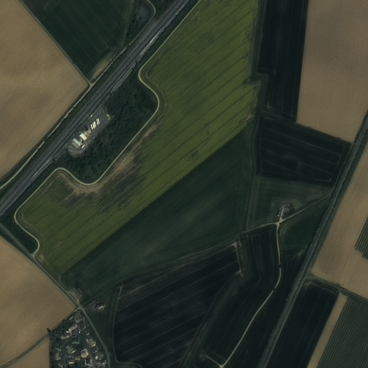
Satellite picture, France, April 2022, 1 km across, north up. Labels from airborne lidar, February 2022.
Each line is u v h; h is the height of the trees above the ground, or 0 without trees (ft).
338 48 0
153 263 0
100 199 0
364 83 0
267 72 0
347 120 0
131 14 0
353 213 0
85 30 0
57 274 0
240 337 0
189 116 0
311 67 0
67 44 0
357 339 0
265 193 0
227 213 0
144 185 0
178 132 0
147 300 0
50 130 0
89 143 0
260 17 0
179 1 0
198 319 0
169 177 0
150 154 0
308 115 0
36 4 0
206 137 0
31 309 0
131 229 0
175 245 0
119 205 0
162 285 0
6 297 0
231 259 0
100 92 0
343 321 0
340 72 0
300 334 0
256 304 0
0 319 0
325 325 0
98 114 0
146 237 0
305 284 0
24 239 27
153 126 0
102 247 0
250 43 0
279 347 0
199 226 0
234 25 0
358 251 0
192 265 0
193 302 0
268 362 0
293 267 0
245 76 0
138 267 0
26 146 0
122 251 0
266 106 0
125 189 0
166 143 0
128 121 38
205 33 0
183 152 0
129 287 0
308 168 0
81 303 0
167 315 0
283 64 0
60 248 0
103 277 0
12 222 40
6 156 0
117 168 0
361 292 0
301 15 0
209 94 0
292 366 0
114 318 0
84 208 0
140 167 0
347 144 0
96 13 0
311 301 0
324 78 0
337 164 0
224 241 0
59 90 0
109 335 0
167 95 0
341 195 0
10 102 0
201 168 0
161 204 0
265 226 0
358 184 0
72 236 0
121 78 0
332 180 0
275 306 0
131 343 0
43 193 0
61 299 0
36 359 0
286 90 0
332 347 0
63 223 0
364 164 0
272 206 0
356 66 0
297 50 0
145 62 0
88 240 0
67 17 0
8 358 0
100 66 0
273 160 0
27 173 0
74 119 0
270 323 0
